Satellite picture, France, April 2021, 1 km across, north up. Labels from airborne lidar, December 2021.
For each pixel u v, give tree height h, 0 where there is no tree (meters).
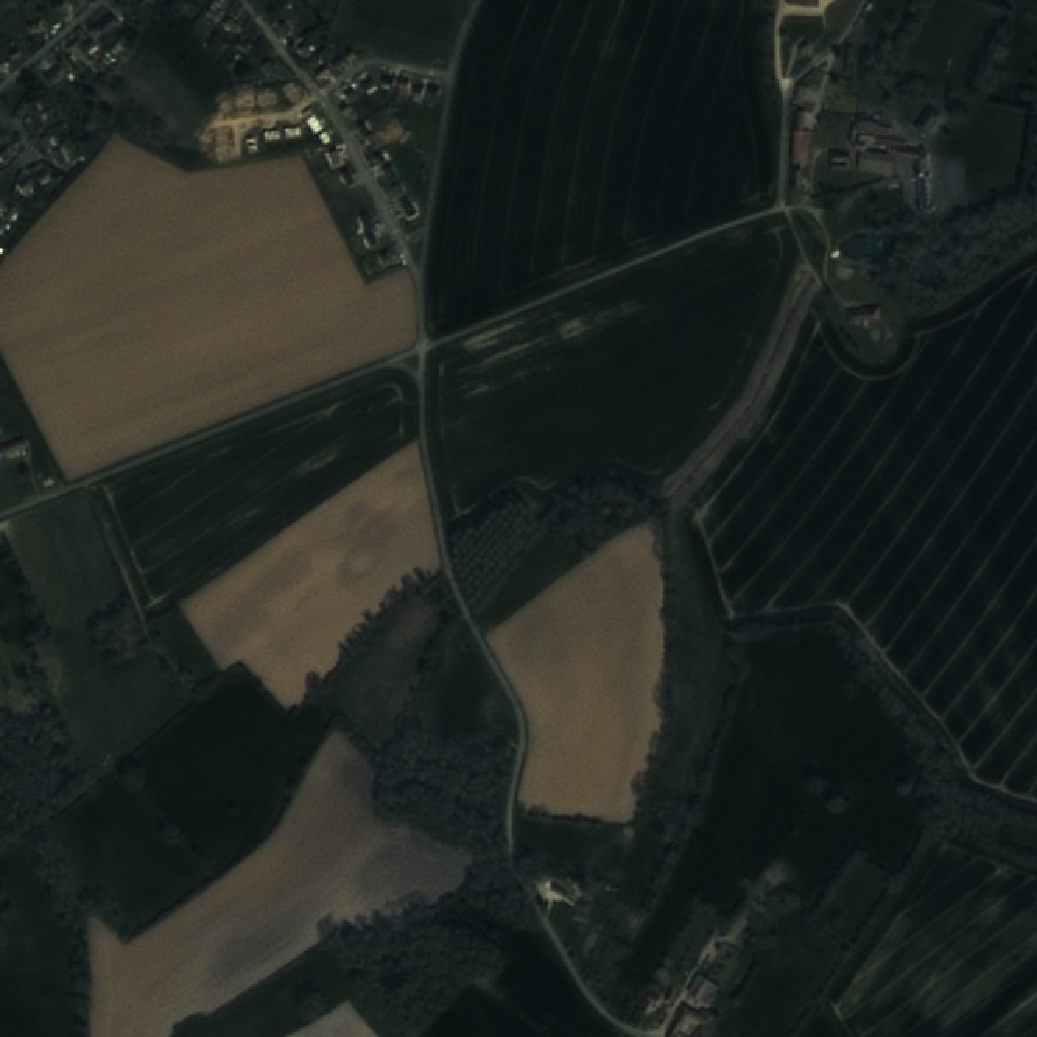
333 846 0
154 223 0
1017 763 0
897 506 0
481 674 0
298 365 0
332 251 0
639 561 0
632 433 0
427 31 0
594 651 0
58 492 0
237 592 0
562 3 0
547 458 0
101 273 0
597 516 21
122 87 19
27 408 0
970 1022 0
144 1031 0
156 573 0
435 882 0
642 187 0
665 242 0
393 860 0
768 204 0
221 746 0
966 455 0
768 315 0
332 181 0
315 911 0
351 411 0
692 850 0
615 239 0
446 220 0
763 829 0
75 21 0
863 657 10
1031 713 0
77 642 0
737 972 0
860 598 0
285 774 0
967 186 0
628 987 0
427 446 0
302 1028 0
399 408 0
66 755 19
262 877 0
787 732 0
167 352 0
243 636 0
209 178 0
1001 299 0
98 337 0
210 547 0
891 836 0
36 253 0
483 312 0
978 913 0
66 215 0
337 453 0
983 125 0
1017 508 0
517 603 0
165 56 0
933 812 23
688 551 0
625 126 0
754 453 0
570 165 0
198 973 0
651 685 0
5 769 19
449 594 10
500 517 24
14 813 18
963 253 24
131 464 0
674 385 0
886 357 0
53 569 0
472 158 0
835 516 0
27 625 0
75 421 0
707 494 0
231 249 0
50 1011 0
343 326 0
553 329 0
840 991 0
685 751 0
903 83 16
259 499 0
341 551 0
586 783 0
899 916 0
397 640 0
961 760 0
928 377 0
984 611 0
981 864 0
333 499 0
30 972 0
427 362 0
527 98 0
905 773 0
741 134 0
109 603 0
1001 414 0
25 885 0
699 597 0
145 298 0
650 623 0
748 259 0
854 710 0
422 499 0
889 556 0
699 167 0
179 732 0
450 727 0
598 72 0
